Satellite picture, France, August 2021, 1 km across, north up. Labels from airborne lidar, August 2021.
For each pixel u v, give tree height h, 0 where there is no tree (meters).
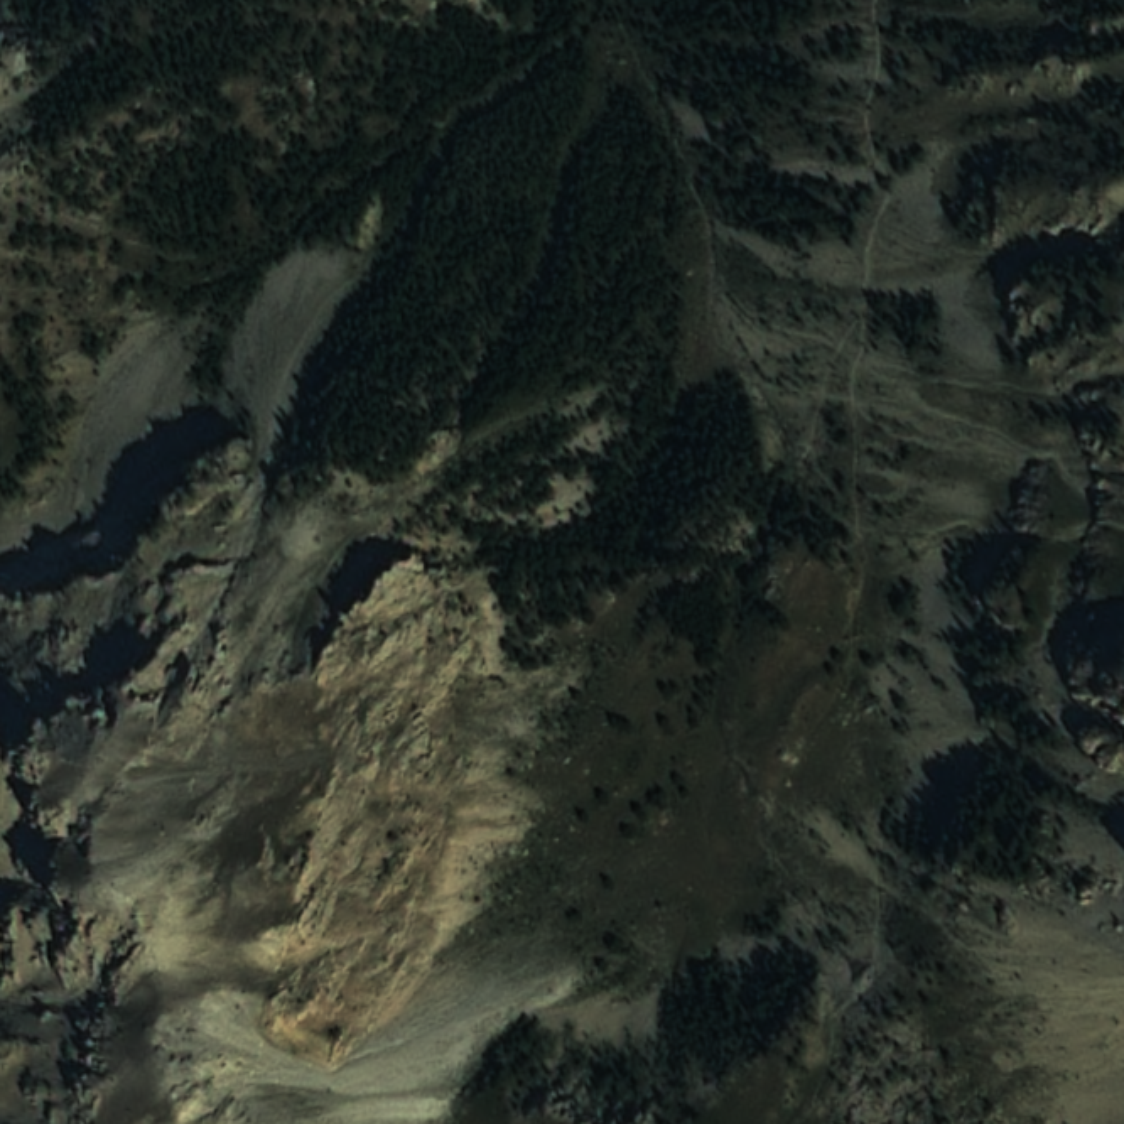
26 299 0
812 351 0
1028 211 0
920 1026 0
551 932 0
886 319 10
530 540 8
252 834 0
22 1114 0
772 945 0
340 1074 0
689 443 16
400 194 9
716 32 22
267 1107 0
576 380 8
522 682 0
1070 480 0
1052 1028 0
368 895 0
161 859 0
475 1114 0
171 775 0
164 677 0
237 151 23
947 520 0
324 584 0
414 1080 0
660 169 9
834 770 0
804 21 15
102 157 8
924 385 0
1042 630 0
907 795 0
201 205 18
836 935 9
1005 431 0
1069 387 0
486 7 11
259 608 0
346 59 16
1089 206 0
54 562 0
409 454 7
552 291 20
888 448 0
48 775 0
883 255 0
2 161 0
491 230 9
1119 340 0
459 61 17
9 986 0
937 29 8
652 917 0
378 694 0
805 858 0
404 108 13
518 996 0
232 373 0
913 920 0
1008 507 0
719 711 0
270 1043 0
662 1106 7
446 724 0
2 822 0
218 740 0
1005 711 8
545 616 14
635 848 0
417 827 0
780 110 12
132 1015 0
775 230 9
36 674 0
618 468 12
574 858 0
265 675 0
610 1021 0
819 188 15
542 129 21
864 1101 0
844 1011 0
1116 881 0
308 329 0
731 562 19
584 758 0
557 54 12
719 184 10
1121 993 0
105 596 0
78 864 0
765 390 0
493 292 15
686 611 19
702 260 0
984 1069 0
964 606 0
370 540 0
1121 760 0
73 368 0
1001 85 0
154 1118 0
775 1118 0
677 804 0
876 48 0
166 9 10
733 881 0
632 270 6
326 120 14
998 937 0
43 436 14
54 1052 0
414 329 15
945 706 0
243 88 0
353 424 16
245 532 0
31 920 0
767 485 10
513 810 0
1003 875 11
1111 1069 0
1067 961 0
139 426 0
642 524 14
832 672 12
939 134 0
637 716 0
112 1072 0
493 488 10
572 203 11
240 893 0
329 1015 0
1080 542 0
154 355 0
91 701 0
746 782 0
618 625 0
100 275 0
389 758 0
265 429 0
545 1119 0
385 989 0
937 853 6
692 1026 10
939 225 0
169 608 0
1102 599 0
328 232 10
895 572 0
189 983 0
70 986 0
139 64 19
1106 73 0
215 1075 0
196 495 8
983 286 0
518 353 7
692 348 0
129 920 0
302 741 0
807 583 0
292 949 0
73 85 13
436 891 0
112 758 0
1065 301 0
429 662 0
